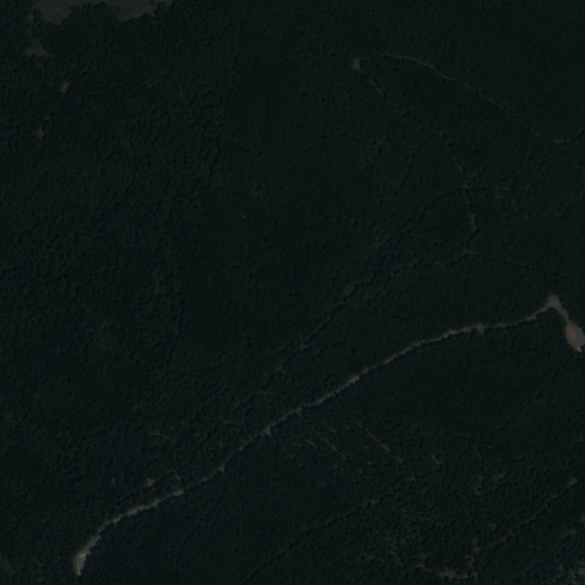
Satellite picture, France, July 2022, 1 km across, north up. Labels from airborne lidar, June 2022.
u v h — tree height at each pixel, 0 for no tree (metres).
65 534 19
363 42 19
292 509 20
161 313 23
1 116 18
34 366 15
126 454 15
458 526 17
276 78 21
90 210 19
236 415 20
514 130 20
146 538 21
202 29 19
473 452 17
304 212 20
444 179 20
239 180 17
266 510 20
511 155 21
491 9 11
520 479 16
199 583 19
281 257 20
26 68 15
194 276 24
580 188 14
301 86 20
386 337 23
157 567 21
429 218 21
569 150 15
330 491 18
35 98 14
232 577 17
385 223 16
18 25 12
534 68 16
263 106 23
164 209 18
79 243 20
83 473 17
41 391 12
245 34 16
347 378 21
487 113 20
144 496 19
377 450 21
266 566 13
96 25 14
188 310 20
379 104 19
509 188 6
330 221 18
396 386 21
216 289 21
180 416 20
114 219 16
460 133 22
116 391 15
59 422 19
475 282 20
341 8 16
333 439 20
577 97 15
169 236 19
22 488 14
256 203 22
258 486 20
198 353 18
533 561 16
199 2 17
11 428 10
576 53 17
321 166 20
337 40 16
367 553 14
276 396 18
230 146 23
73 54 16
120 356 7
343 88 15
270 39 18
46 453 18
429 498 14
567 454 16
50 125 14
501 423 14
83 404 12
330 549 13
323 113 18
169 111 16
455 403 19
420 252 17
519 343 17
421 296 17
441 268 14
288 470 19
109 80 16
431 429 20
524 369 18
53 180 7
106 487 15
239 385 20
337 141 18
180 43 15
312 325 22
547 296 16
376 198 15
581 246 16
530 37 14
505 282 18
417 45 18
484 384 19
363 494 18
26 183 17
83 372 16
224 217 21
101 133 12
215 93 20
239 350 15
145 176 16
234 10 19
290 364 17
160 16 18
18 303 21
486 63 15
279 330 20
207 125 18
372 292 18
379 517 14
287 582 16
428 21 16
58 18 0
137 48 13
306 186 21
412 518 13
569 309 19
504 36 15
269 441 18
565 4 14
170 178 22
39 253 17
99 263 12
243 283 17
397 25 15
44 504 13
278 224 22
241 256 22
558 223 15
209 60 21
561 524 21
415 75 22
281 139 20
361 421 21
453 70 18
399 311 18
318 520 15
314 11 18
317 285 18
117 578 23
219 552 16
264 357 20
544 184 17
